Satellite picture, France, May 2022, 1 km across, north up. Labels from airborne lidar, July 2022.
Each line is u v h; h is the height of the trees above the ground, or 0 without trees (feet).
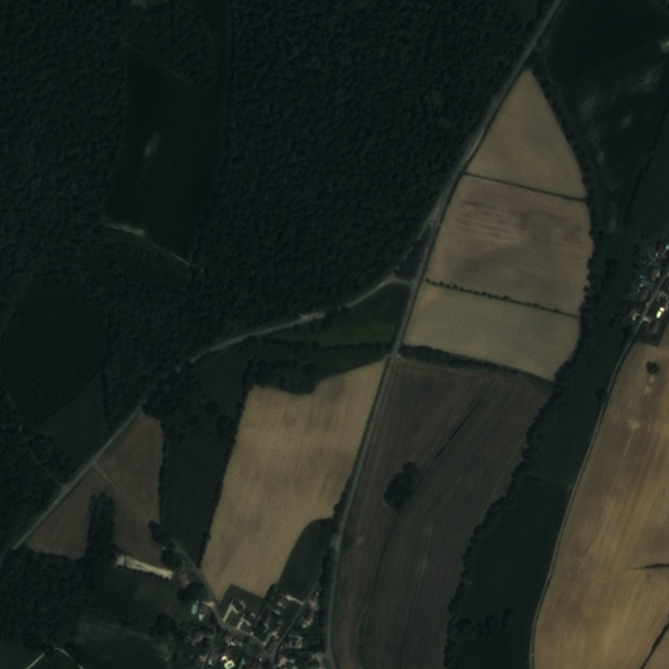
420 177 90
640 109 0
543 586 0
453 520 0
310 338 0
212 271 46
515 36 74
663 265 24
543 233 0
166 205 0
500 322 0
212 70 58
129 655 0
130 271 26
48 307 20
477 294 24
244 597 0
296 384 54
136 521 0
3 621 29
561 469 0
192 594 64
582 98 0
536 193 0
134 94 0
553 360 0
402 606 0
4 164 46
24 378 26
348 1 101
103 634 0
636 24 0
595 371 0
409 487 70
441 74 97
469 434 0
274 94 78
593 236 36
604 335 0
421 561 0
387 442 0
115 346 62
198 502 0
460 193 0
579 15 0
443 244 0
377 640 0
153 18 59
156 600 0
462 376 0
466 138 52
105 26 76
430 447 0
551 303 0
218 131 0
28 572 41
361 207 79
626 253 0
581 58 0
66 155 57
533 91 0
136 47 55
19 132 89
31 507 78
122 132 32
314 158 77
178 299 74
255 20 72
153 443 0
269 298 70
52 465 81
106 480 0
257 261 44
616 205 0
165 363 67
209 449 0
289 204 49
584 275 0
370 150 77
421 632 0
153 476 0
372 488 0
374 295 0
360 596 0
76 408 0
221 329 89
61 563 50
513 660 0
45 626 69
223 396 0
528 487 0
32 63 47
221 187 52
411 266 54
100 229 68
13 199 82
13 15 47
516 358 0
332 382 0
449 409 0
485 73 80
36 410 20
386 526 0
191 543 0
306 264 87
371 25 101
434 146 75
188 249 0
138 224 0
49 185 75
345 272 86
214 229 70
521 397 0
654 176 0
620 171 0
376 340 0
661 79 0
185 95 0
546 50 0
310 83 72
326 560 38
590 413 0
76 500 0
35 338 18
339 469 0
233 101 60
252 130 90
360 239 94
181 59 27
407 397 0
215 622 57
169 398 82
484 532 57
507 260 0
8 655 0
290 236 52
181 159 0
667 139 0
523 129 0
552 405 68
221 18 0
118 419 74
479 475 0
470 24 93
